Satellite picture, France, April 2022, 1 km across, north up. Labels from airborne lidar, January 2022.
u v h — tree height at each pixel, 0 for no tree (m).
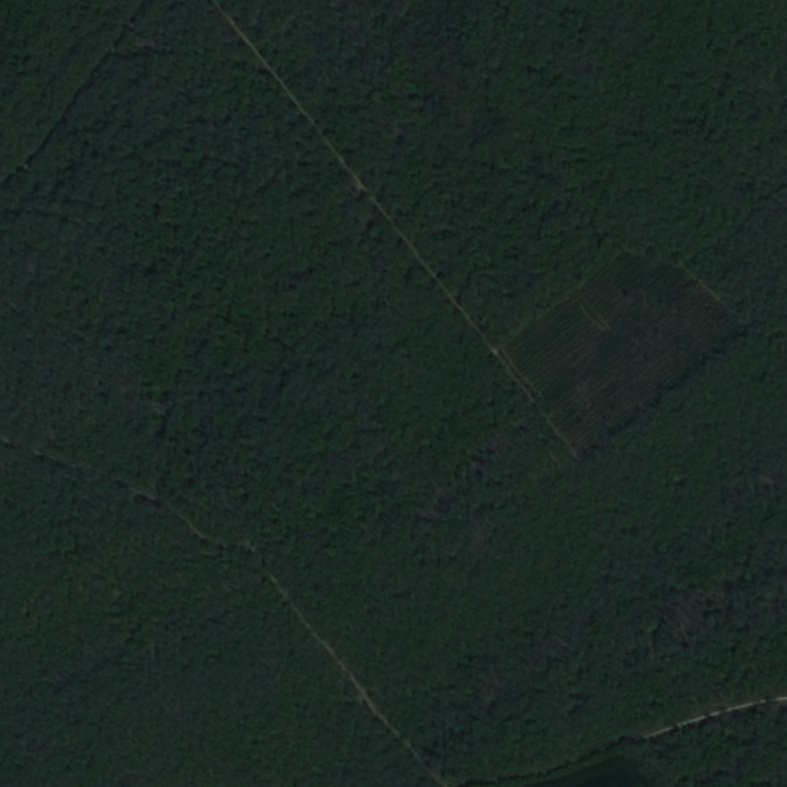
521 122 21
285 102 20
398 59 15
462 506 22
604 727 22
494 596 25
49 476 22
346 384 24
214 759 22
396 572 22
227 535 19
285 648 21
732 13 23
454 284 21
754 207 18
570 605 22
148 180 21
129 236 22
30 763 17
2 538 21
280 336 17
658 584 25
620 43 26
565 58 23
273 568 17
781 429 21
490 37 23
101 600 23
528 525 22
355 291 22
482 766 21
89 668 30
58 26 22
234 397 21
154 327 18
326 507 22
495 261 22
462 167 23
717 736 25
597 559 22
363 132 23
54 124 16
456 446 19
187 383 22
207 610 21
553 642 30
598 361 6
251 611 23
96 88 18
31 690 21
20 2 19
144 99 25
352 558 24
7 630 23
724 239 19
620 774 0
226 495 19
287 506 18
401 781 22
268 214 23
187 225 22
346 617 22
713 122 23
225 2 20
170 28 27
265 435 20
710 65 21
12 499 21
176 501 20
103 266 21
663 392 20
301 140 23
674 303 5
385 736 24
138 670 21
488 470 25
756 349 21
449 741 21
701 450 22
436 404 22
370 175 21
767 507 23
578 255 23
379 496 21
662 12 23
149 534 24
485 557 22
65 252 24
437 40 13
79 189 23
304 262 22
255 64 19
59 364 22
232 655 21
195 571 18
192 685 22
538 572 23
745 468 23
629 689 23
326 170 21
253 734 22
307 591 21
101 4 18
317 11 23
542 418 19
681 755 23
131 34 20
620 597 23
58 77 21
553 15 23
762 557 25
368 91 23
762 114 24
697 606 29
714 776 21
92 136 26
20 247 19
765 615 26
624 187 23
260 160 13
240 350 22
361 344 22
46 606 23
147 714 22
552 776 10
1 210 22
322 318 24
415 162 20
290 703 21
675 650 26
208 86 19
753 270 24
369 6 24
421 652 24
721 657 24
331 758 21
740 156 24
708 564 27
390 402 20
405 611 25
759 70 23
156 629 24
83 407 20
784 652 24
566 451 21
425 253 22
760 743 22
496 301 24
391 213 22
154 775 22
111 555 22
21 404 21
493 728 24
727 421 23
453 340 20
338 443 23
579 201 20
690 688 21
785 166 23
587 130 14
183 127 20
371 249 23
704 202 21
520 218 21
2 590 22
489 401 21
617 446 21
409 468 22
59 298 23
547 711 24
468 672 22
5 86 20
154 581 21
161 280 21
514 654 24
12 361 22
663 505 22
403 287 21
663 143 21
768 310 21
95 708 25
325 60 22
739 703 0
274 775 25
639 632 23
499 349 16
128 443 21
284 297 21
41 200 23
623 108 18
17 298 18
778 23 26
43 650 22
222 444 21
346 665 22
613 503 23
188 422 21
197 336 20
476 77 23
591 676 22
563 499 20
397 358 24
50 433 23
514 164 25
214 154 22
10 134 19
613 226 25
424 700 24
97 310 20
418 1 22
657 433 21
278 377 20
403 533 26
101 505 22
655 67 20
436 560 23
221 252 20
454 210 20
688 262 23
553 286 23
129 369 24
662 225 24
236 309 21
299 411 25
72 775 20
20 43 20
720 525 24
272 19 19
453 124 20
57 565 21
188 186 19
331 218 21
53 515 20
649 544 24
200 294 20
